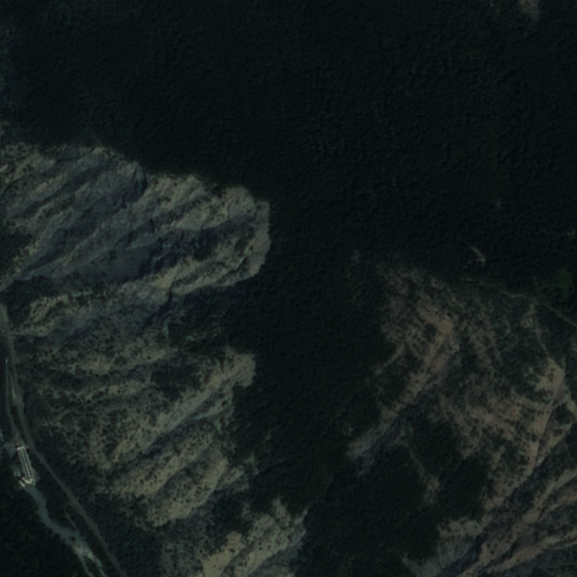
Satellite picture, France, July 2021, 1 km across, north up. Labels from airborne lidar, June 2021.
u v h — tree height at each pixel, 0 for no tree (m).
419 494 7
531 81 25
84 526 11
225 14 21
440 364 0
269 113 28
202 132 27
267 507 6
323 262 12
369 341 9
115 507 8
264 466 6
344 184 30
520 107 29
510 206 15
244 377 0
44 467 12
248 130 27
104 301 6
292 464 12
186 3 20
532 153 26
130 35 16
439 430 10
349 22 20
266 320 20
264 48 20
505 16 11
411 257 8
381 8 10
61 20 13
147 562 15
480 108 30
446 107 28
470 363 8
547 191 28
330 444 10
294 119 37
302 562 10
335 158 36
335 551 7
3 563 14
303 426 13
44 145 7
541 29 16
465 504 11
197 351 13
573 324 6
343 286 7
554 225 11
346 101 30
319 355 14
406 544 9
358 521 9
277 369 14
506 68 37
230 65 26
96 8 9
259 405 8
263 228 0
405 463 6
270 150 25
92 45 22
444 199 20
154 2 22
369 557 9
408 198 24
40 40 17
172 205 0
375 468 11
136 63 9
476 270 11
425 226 20
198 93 27
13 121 11
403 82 27
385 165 30
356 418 10
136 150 12
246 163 19
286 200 17
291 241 12
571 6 18
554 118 25
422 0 24
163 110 27
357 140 31
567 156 30
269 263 12
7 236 8
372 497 9
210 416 0
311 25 19
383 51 21
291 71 22
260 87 22
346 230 20
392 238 14
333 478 11
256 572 0
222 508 10
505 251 21
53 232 0
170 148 21
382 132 28
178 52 22
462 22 20
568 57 29
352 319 8
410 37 20
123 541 10
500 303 7
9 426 7
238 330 13
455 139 34
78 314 0
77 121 10
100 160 0
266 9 18
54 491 17
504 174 31
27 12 15
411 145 27
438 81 35
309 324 13
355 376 7
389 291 6
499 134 23
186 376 9
